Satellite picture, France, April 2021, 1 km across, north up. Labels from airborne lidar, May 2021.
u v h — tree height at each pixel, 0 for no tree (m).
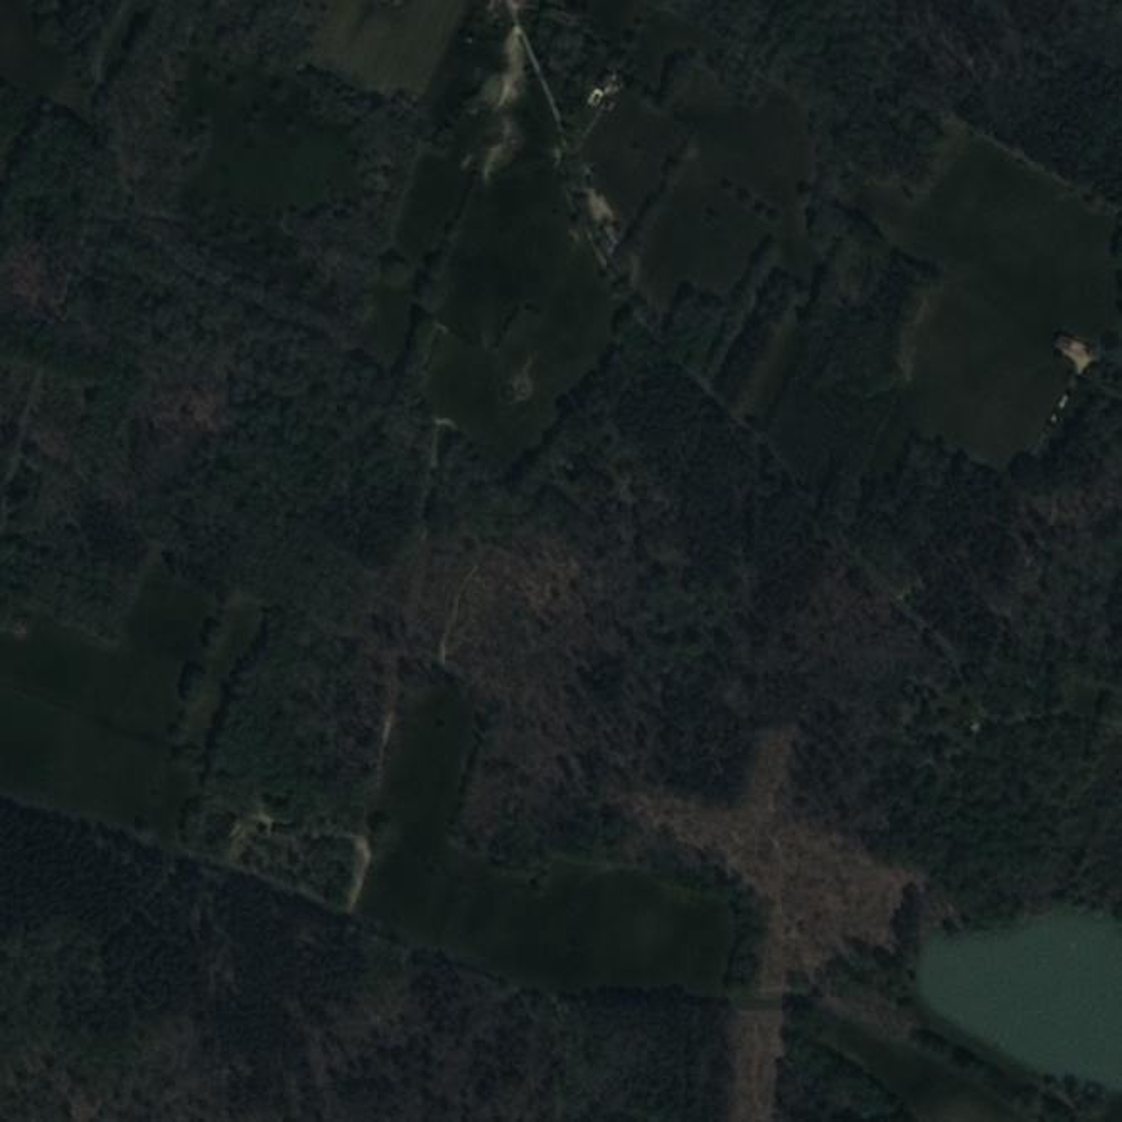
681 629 9
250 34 13
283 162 0
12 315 10
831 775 25
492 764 6
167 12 12
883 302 13
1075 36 18
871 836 12
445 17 0
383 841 14
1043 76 23
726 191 6
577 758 10
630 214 0
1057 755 14
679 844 17
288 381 27
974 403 0
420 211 0
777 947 0
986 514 18
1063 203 0
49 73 0
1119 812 13
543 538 14
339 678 17
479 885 0
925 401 0
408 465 24
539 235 0
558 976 0
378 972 16
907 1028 20
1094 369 8
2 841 17
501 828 8
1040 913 10
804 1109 11
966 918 8
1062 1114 22
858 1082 25
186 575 19
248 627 0
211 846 13
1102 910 14
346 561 20
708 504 23
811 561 17
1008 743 10
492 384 0
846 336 19
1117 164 21
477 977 13
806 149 0
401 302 0
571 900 0
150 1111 9
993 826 18
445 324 0
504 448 0
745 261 0
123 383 14
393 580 10
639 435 21
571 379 0
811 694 10
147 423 9
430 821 0
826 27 27
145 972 25
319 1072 13
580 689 9
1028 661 12
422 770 0
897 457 0
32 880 18
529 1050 15
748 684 16
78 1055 18
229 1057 15
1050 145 20
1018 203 0
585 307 0
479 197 0
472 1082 6
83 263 18
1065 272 0
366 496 20
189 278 21
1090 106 20
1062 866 7
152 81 13
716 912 0
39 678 0
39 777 0
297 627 17
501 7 10
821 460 14
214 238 6
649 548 17
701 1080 19
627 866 21
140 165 22
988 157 0
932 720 17
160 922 23
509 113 0
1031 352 0
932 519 13
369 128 16
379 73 0
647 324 11
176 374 11
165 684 0
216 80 8
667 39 0
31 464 17
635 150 7
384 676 19
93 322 12
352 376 21
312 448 25
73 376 14
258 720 22
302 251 11
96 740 0
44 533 11
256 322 27
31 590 16
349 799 19
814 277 0
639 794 10
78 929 17
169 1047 11
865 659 7
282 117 0
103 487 16
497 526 20
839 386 15
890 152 16
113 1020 21
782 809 16
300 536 26
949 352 0
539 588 0
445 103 0
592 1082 17
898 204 0
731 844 0
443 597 0
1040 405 0
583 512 7
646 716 15
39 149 23
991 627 19
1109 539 22
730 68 14
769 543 27
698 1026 25
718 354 17
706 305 16
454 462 21
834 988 18
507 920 0
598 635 7
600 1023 23
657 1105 19
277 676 21
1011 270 0
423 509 22
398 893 0
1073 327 0
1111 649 13
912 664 7
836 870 0
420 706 0
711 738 13
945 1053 19
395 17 0
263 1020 18
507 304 0
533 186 0
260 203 0
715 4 7
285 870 11
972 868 19
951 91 14
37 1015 17
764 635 22
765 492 17
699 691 15
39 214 11
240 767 23
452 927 0
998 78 9
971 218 0
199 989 21
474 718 0
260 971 21
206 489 19
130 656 0
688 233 0
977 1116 0
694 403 25
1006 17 13
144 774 0
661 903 0
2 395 6
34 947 17
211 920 12
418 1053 17
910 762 15
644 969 0
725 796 21
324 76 6
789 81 15
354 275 18
